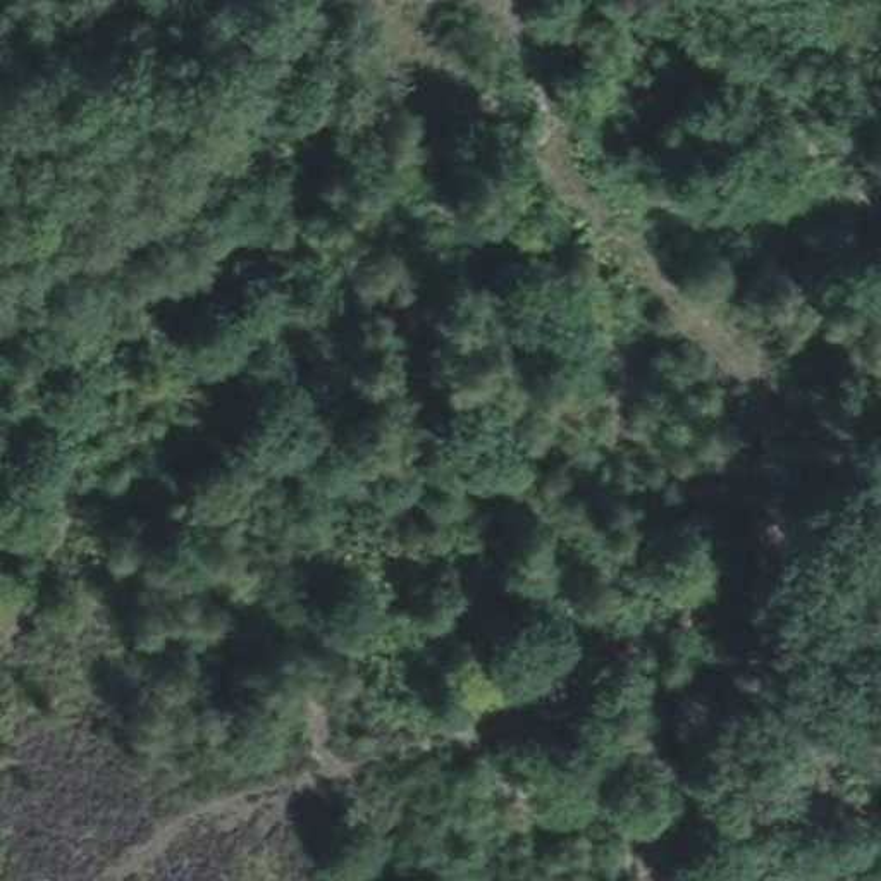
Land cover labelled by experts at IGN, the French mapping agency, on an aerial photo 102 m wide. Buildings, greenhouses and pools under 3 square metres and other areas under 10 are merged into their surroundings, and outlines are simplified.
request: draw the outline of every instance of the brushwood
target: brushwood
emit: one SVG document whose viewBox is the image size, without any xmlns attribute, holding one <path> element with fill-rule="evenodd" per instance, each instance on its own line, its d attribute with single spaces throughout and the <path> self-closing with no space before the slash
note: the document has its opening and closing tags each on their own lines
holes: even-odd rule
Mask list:
<svg viewBox="0 0 881 881">
<path fill-rule="evenodd" d="M 537 131 L 537 107 L 530 100 L 540 86 L 523 76 L 520 48 L 502 48 L 489 31 L 475 28 L 489 0 L 423 0 L 427 17 L 420 24 L 420 34 L 444 52 L 434 69 L 471 83 L 485 96 L 502 96 L 492 117 L 509 141 L 523 145 Z"/>
<path fill-rule="evenodd" d="M 310 757 L 306 723 L 299 723 L 293 726 L 289 757 L 275 771 L 282 778 L 299 774 L 306 771 Z"/>
<path fill-rule="evenodd" d="M 692 475 L 723 468 L 730 461 L 730 451 L 712 430 L 709 416 L 719 416 L 730 399 L 743 396 L 750 379 L 712 375 L 705 348 L 675 330 L 668 306 L 647 286 L 637 282 L 633 272 L 602 265 L 588 255 L 575 268 L 582 289 L 575 289 L 571 303 L 595 320 L 595 334 L 606 341 L 602 389 L 613 399 L 619 399 L 623 420 L 647 413 L 654 423 L 654 434 L 644 444 L 619 437 L 609 441 L 592 471 L 599 475 L 599 482 L 623 485 L 623 492 L 657 489 L 671 506 L 681 502 L 681 496 Z"/>
<path fill-rule="evenodd" d="M 62 513 L 62 527 L 52 537 L 52 547 L 28 554 L 0 551 L 0 630 L 17 623 L 21 633 L 34 633 L 34 619 L 21 613 L 24 602 L 34 599 L 45 613 L 55 613 L 59 606 L 76 602 L 76 595 L 89 588 L 79 558 L 93 554 L 100 544 L 86 520 Z"/>
<path fill-rule="evenodd" d="M 382 564 L 385 582 L 392 585 L 392 599 L 385 606 L 389 613 L 430 619 L 441 606 L 454 606 L 458 599 L 468 602 L 468 609 L 454 619 L 454 626 L 444 637 L 403 650 L 406 685 L 413 685 L 416 692 L 413 702 L 382 702 L 368 716 L 365 702 L 358 699 L 323 702 L 327 750 L 351 761 L 354 767 L 354 774 L 327 778 L 296 792 L 286 805 L 296 840 L 310 857 L 303 881 L 881 881 L 881 785 L 871 788 L 867 802 L 847 802 L 840 795 L 826 795 L 805 785 L 802 819 L 754 822 L 750 836 L 740 840 L 726 836 L 699 802 L 685 802 L 681 816 L 657 840 L 633 843 L 633 857 L 623 871 L 606 867 L 609 847 L 616 847 L 619 840 L 619 829 L 609 819 L 592 816 L 588 822 L 571 829 L 551 829 L 544 822 L 544 781 L 554 771 L 568 767 L 595 705 L 616 699 L 626 688 L 630 661 L 626 654 L 599 647 L 578 654 L 578 664 L 561 678 L 554 692 L 523 705 L 502 702 L 502 692 L 489 681 L 489 675 L 496 675 L 499 664 L 509 661 L 520 633 L 530 623 L 544 623 L 551 616 L 551 609 L 540 599 L 527 599 L 509 588 L 513 578 L 520 578 L 527 558 L 533 554 L 530 533 L 537 523 L 530 506 L 523 506 L 516 496 L 468 499 L 468 513 L 461 523 L 475 537 L 482 537 L 478 554 L 434 554 L 430 561 L 392 558 Z"/>
</svg>

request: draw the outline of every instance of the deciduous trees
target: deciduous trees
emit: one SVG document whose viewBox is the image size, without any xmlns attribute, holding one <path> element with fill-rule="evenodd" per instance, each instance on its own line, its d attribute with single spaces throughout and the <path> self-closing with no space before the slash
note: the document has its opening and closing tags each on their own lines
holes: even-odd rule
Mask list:
<svg viewBox="0 0 881 881">
<path fill-rule="evenodd" d="M 719 313 L 743 337 L 761 344 L 764 372 L 757 379 L 778 389 L 778 375 L 788 372 L 812 403 L 826 410 L 843 406 L 864 423 L 864 444 L 802 489 L 795 516 L 785 520 L 764 547 L 743 544 L 736 537 L 736 520 L 726 506 L 709 499 L 688 502 L 681 496 L 681 502 L 671 506 L 657 489 L 623 492 L 623 485 L 599 482 L 599 475 L 592 471 L 609 441 L 619 437 L 644 444 L 654 434 L 654 423 L 647 413 L 623 420 L 619 399 L 613 399 L 602 389 L 606 341 L 595 334 L 595 320 L 571 303 L 575 289 L 582 289 L 575 268 L 588 255 L 582 234 L 564 227 L 561 213 L 547 213 L 554 189 L 544 182 L 533 151 L 527 151 L 523 145 L 509 141 L 492 117 L 475 117 L 458 134 L 454 158 L 437 155 L 430 162 L 420 151 L 423 127 L 403 96 L 379 96 L 375 120 L 361 131 L 320 127 L 317 134 L 303 138 L 296 145 L 296 182 L 289 176 L 279 176 L 265 189 L 248 189 L 244 196 L 237 196 L 231 213 L 206 227 L 210 244 L 203 251 L 172 255 L 158 262 L 151 272 L 138 272 L 120 289 L 89 293 L 65 317 L 52 317 L 45 303 L 17 306 L 17 313 L 0 313 L 0 551 L 28 554 L 52 547 L 52 537 L 62 527 L 62 513 L 86 520 L 100 544 L 93 554 L 79 558 L 89 588 L 107 609 L 107 619 L 124 647 L 120 657 L 96 657 L 89 668 L 89 685 L 96 692 L 96 699 L 83 709 L 89 716 L 89 733 L 114 736 L 117 750 L 138 761 L 138 754 L 165 757 L 172 747 L 206 743 L 206 733 L 217 730 L 217 723 L 224 719 L 227 733 L 220 743 L 227 754 L 237 754 L 234 771 L 275 771 L 289 757 L 293 726 L 299 723 L 306 723 L 310 757 L 320 764 L 327 778 L 354 774 L 354 767 L 351 761 L 327 750 L 323 702 L 358 699 L 365 702 L 368 716 L 382 702 L 413 702 L 416 692 L 413 685 L 406 685 L 403 650 L 444 637 L 454 626 L 454 619 L 468 609 L 468 602 L 458 599 L 454 606 L 441 606 L 430 619 L 389 613 L 385 606 L 392 599 L 392 585 L 385 582 L 382 564 L 392 558 L 430 561 L 434 554 L 478 554 L 482 537 L 475 537 L 461 523 L 468 513 L 468 499 L 516 496 L 523 506 L 530 506 L 537 523 L 530 533 L 533 554 L 527 558 L 520 578 L 513 578 L 509 588 L 527 599 L 540 599 L 551 609 L 551 616 L 544 623 L 530 623 L 520 633 L 509 661 L 499 664 L 496 675 L 489 675 L 489 681 L 502 692 L 502 702 L 523 705 L 554 692 L 561 678 L 578 664 L 578 654 L 599 647 L 626 654 L 630 661 L 626 688 L 616 699 L 595 705 L 568 767 L 554 771 L 544 781 L 544 822 L 551 829 L 571 829 L 588 822 L 592 816 L 609 819 L 619 829 L 619 840 L 616 847 L 609 847 L 606 867 L 623 871 L 633 857 L 633 843 L 657 840 L 681 816 L 685 802 L 699 802 L 726 836 L 740 840 L 750 836 L 754 822 L 802 819 L 805 785 L 826 795 L 840 795 L 847 802 L 867 802 L 871 788 L 881 785 L 881 0 L 509 0 L 520 17 L 520 48 L 523 76 L 540 86 L 558 117 L 568 124 L 568 145 L 561 151 L 564 162 L 578 165 L 585 193 L 599 193 L 599 200 L 626 220 L 647 217 L 644 241 L 657 258 L 664 279 L 688 293 L 688 299 L 695 299 L 699 310 Z"/>
</svg>

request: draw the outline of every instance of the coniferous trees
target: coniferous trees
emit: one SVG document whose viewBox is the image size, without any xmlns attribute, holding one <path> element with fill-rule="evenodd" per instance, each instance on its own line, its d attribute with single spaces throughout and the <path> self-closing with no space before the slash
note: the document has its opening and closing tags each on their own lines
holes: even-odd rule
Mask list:
<svg viewBox="0 0 881 881">
<path fill-rule="evenodd" d="M 65 317 L 89 293 L 120 289 L 138 272 L 151 272 L 158 262 L 172 255 L 203 251 L 210 244 L 206 227 L 231 213 L 237 196 L 244 196 L 248 189 L 265 189 L 279 176 L 289 176 L 296 182 L 296 145 L 303 138 L 317 134 L 320 127 L 361 131 L 375 120 L 379 96 L 403 96 L 413 89 L 410 72 L 416 62 L 403 62 L 399 48 L 375 31 L 375 17 L 365 7 L 368 0 L 0 0 L 0 313 L 17 313 L 17 306 L 45 303 L 52 317 Z"/>
</svg>

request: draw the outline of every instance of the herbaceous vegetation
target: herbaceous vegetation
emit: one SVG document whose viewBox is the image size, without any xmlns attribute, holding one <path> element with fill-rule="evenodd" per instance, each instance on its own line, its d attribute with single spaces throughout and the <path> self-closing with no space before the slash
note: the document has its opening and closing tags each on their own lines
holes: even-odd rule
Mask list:
<svg viewBox="0 0 881 881">
<path fill-rule="evenodd" d="M 475 117 L 492 117 L 502 96 L 485 96 L 471 83 L 434 69 L 444 52 L 420 34 L 420 24 L 427 17 L 423 0 L 368 0 L 365 7 L 375 17 L 375 31 L 399 48 L 403 62 L 416 62 L 410 72 L 413 89 L 403 96 L 423 127 L 420 151 L 430 162 L 437 155 L 454 158 L 458 134 Z"/>
<path fill-rule="evenodd" d="M 509 0 L 489 0 L 475 28 L 489 31 L 502 48 L 520 48 L 520 17 Z"/>
<path fill-rule="evenodd" d="M 224 719 L 217 723 L 217 730 L 206 733 L 206 743 L 172 747 L 165 757 L 138 754 L 138 761 L 117 750 L 114 736 L 89 733 L 89 716 L 83 709 L 96 699 L 96 692 L 89 685 L 89 668 L 96 657 L 120 657 L 124 647 L 107 619 L 107 609 L 89 588 L 76 595 L 76 602 L 59 606 L 55 613 L 45 613 L 34 599 L 24 602 L 21 613 L 34 619 L 34 633 L 21 633 L 17 623 L 0 630 L 0 881 L 303 881 L 310 857 L 296 840 L 286 805 L 296 792 L 327 778 L 320 764 L 310 757 L 306 771 L 299 774 L 282 778 L 275 771 L 234 771 L 237 754 L 227 754 L 220 743 L 227 733 Z"/>
<path fill-rule="evenodd" d="M 736 520 L 736 537 L 743 544 L 764 547 L 785 520 L 795 516 L 802 489 L 864 444 L 864 423 L 843 406 L 826 410 L 812 403 L 788 372 L 778 375 L 778 389 L 757 379 L 764 372 L 761 344 L 743 337 L 719 313 L 699 310 L 695 299 L 688 299 L 688 293 L 664 279 L 657 258 L 644 241 L 647 217 L 626 220 L 599 200 L 599 193 L 585 193 L 578 165 L 564 162 L 561 151 L 568 145 L 568 124 L 558 117 L 540 86 L 530 100 L 537 107 L 537 131 L 523 145 L 527 151 L 533 151 L 544 182 L 554 189 L 547 213 L 561 213 L 564 227 L 582 234 L 588 255 L 602 265 L 633 272 L 637 282 L 647 286 L 668 306 L 675 330 L 705 348 L 712 375 L 750 379 L 743 396 L 730 399 L 719 416 L 709 416 L 712 430 L 730 451 L 730 461 L 723 468 L 692 475 L 681 496 L 688 502 L 709 499 L 726 506 Z"/>
</svg>

